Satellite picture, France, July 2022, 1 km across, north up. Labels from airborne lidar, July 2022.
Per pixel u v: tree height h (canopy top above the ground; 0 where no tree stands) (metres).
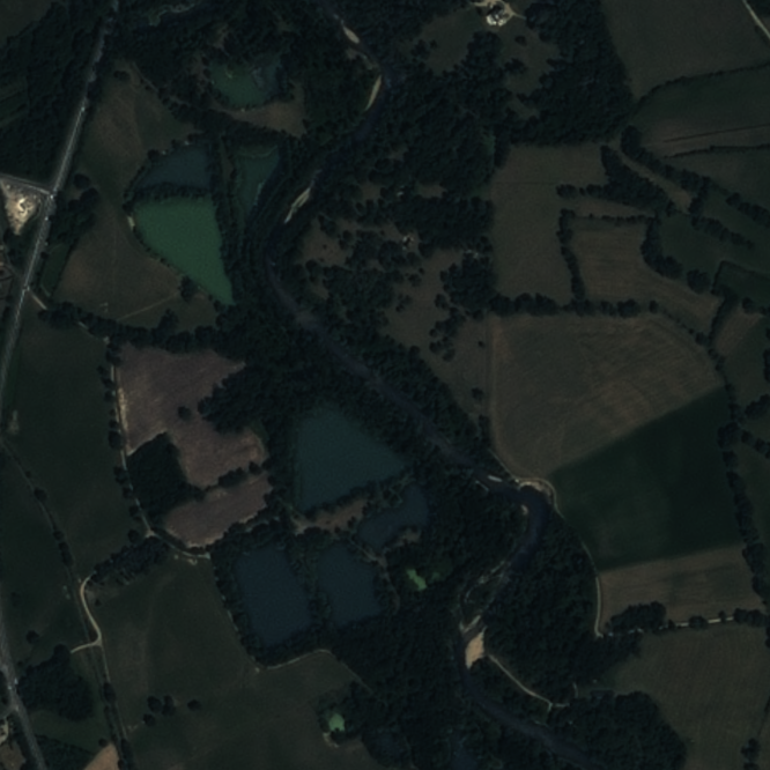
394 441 13
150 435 0
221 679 0
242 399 28
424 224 22
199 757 0
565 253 13
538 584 19
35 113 9
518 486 8
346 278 19
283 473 25
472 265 22
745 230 0
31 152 12
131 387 0
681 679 0
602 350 0
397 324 0
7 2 0
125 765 10
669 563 0
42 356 0
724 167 0
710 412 0
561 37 23
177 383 0
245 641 11
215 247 0
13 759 0
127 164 0
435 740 23
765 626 11
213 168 7
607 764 15
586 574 22
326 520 0
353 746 0
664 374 0
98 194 19
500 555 17
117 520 0
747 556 16
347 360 0
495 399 0
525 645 22
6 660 0
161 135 0
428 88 6
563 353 0
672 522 0
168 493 12
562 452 0
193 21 17
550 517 24
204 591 0
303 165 23
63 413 0
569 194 17
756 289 0
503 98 19
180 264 0
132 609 0
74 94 22
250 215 0
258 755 0
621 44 0
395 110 17
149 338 19
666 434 0
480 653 0
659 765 9
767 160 0
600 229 0
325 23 28
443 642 19
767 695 0
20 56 12
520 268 0
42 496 14
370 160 18
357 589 0
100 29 12
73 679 19
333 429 0
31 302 0
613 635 15
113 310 0
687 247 0
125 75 11
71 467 0
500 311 26
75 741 0
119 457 0
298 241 15
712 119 0
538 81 0
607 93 14
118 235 0
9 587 0
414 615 19
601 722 15
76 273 0
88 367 0
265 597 0
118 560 17
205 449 0
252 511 0
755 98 0
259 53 19
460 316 15
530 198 0
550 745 0
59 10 14
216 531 0
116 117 0
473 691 0
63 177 0
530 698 15
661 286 0
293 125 0
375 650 19
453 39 0
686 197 0
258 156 0
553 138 19
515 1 11
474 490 17
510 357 0
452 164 20
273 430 23
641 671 0
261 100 0
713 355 10
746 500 18
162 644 0
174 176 0
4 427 7
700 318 0
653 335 0
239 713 0
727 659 0
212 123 11
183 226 0
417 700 17
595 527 0
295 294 6
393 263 16
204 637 0
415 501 0
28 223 0
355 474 0
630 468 0
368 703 17
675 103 0
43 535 0
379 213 14
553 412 0
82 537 0
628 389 0
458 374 0
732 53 0
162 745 0
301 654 8
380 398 21
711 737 0
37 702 17
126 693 0
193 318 0
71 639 0
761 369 0
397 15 20
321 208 15
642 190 31
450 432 17
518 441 0
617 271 0
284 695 0
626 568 0
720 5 0
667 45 0
